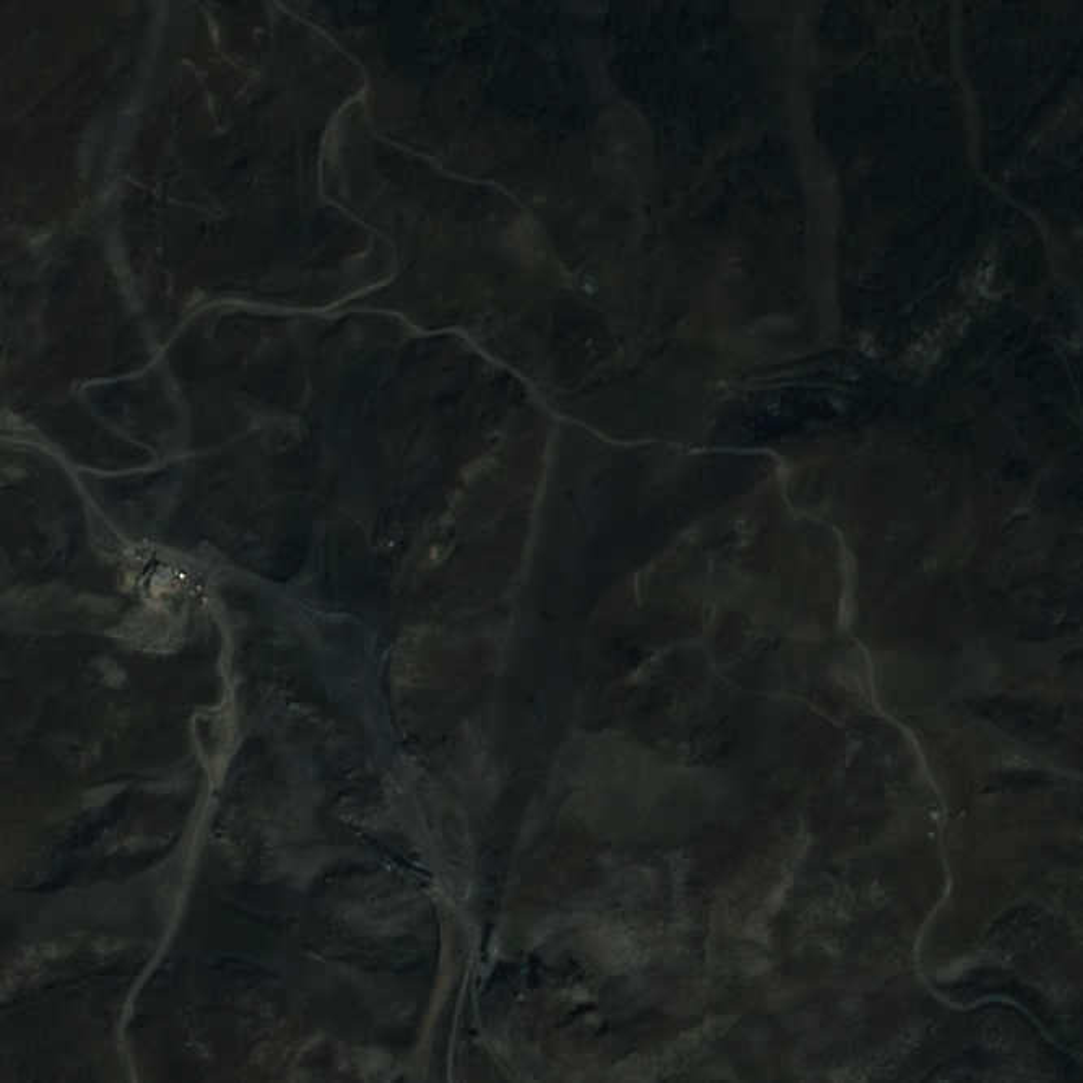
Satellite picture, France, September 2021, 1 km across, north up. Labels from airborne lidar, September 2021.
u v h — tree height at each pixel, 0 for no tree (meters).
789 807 0
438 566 0
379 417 0
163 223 0
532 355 0
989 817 0
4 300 0
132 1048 0
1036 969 0
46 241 0
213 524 0
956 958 0
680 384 0
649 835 0
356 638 0
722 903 0
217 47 0
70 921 0
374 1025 0
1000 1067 0
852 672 0
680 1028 0
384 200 0
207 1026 0
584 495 0
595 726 0
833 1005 0
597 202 0
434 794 0
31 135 0
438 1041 0
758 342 0
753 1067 0
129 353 0
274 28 0
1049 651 0
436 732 0
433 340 0
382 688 0
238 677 0
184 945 0
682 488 0
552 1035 0
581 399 0
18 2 0
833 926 0
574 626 0
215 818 0
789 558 0
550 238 0
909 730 0
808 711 0
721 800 0
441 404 0
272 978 0
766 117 0
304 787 0
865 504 0
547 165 0
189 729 0
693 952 0
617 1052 0
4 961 0
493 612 0
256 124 0
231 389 0
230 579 0
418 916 0
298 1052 0
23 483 0
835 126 6
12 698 0
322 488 0
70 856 0
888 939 0
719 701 0
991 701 0
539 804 0
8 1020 0
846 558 0
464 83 0
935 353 0
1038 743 0
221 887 0
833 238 0
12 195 0
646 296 0
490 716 0
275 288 0
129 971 0
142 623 0
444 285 0
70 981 0
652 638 0
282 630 0
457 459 0
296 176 0
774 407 0
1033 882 0
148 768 0
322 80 0
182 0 0
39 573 0
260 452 0
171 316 0
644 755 0
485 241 0
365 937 0
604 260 0
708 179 0
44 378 0
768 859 0
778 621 0
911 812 0
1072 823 0
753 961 0
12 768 0
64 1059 0
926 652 0
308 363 0
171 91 0
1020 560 0
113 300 0
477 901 0
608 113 0
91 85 0
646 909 0
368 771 0
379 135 0
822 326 0
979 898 0
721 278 0
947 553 0
